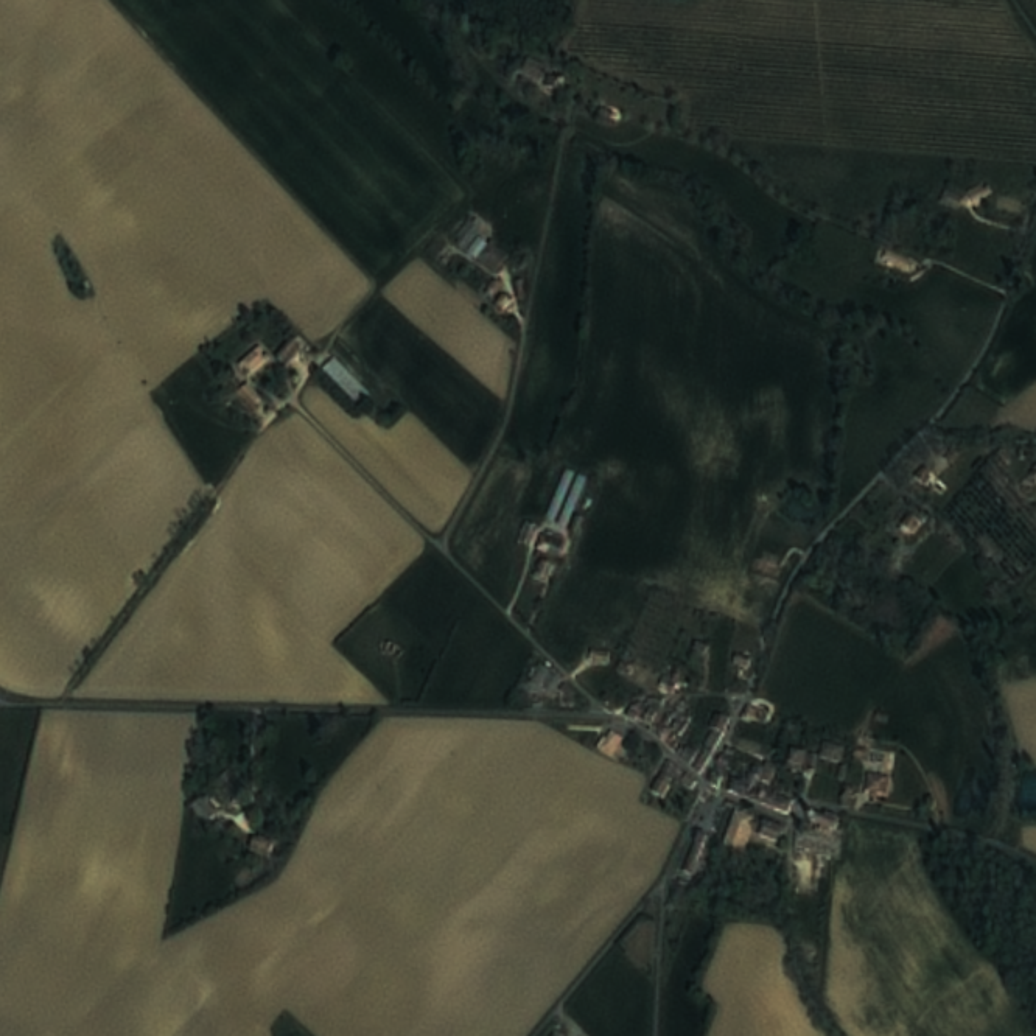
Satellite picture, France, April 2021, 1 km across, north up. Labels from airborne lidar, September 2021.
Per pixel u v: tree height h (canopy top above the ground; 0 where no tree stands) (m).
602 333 0
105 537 0
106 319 0
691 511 0
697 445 0
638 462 0
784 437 0
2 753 0
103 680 0
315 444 0
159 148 0
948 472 0
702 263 0
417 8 15
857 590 13
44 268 0
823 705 0
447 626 0
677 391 0
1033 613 9
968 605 0
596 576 0
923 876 0
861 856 0
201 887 0
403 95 0
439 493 0
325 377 12
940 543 0
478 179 18
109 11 0
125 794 0
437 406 0
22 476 0
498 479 0
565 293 0
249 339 14
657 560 0
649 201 0
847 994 0
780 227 0
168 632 0
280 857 13
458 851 0
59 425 0
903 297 0
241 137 0
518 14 37
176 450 0
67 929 0
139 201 0
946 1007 0
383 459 0
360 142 0
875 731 0
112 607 0
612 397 0
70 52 0
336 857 0
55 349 0
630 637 11
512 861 0
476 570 0
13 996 0
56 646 0
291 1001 0
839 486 23
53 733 0
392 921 0
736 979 0
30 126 0
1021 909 23
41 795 0
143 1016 0
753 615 0
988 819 30
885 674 0
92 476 0
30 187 0
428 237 0
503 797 0
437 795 0
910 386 0
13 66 0
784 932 15
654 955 0
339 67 17
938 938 0
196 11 0
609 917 0
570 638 0
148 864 0
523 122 26
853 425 0
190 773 9
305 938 0
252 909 0
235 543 0
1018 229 16
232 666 0
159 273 0
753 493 0
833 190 0
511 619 0
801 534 0
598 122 11
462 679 0
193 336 0
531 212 0
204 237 0
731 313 0
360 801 0
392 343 0
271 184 0
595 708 0
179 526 8
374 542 0
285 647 0
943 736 0
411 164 0
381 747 0
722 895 17
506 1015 0
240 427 15
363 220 0
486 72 0
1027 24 0
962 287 0
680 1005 0
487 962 0
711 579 0
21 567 0
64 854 0
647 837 0
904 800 0
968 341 0
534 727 0
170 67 0
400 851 0
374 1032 0
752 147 0
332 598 0
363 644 0
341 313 0
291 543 0
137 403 0
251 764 9
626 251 0
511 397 0
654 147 0
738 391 0
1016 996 16
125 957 0
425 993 0
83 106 0
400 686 0
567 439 0
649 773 8
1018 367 0
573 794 0
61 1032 0
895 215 16
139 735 0
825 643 0
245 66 0
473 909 0
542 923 0
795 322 0
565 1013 0
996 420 0
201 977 0
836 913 0
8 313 0
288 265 0
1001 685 17
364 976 0
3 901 0
